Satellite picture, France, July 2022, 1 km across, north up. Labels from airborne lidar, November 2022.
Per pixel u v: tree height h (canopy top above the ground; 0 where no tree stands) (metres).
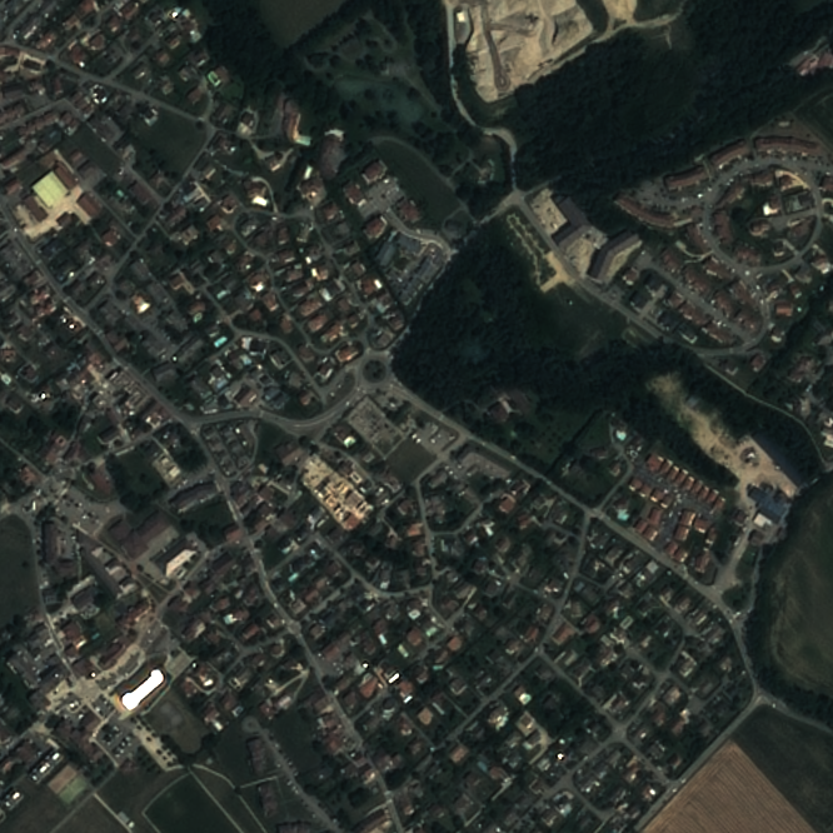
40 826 0
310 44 21
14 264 0
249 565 0
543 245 0
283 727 0
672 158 19
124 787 0
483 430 22
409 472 0
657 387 0
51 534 0
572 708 6
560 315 0
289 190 13
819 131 0
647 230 16
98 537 0
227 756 0
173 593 0
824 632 0
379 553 17
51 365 0
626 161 24
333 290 0
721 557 16
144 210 10
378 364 9
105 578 0
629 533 0
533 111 23
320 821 0
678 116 7
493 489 11
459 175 7
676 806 0
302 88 24
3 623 0
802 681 0
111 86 0
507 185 11
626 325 0
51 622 0
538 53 0
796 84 15
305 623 8
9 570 0
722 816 0
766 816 0
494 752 5
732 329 0
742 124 17
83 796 0
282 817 0
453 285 19
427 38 14
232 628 6
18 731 7
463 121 10
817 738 0
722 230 0
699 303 0
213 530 9
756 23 22
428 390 26
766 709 0
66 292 9
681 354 19
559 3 0
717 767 0
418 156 0
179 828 0
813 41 20
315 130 8
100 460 0
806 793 0
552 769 0
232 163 0
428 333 22
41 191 0
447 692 8
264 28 12
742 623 0
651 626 7
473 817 0
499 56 0
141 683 0
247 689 6
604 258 0
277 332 10
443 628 0
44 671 0
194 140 0
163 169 13
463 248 21
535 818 13
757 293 0
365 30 21
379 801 0
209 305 13
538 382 29
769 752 0
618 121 24
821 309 14
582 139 19
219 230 6
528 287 12
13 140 0
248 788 0
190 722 0
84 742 0
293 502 0
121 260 0
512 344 27
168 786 0
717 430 0
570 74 23
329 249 0
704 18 24
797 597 0
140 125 0
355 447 6
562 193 23
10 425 9
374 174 0
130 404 0
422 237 0
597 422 10
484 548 11
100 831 0
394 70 0
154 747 0
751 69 29
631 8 0
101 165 0
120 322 7
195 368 7
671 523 0
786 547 7
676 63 7
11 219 0
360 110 17
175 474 8
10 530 0
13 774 6
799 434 20
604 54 25
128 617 0
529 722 7
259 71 24
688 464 12
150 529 0
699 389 17
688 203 0
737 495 0
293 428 0
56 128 6
